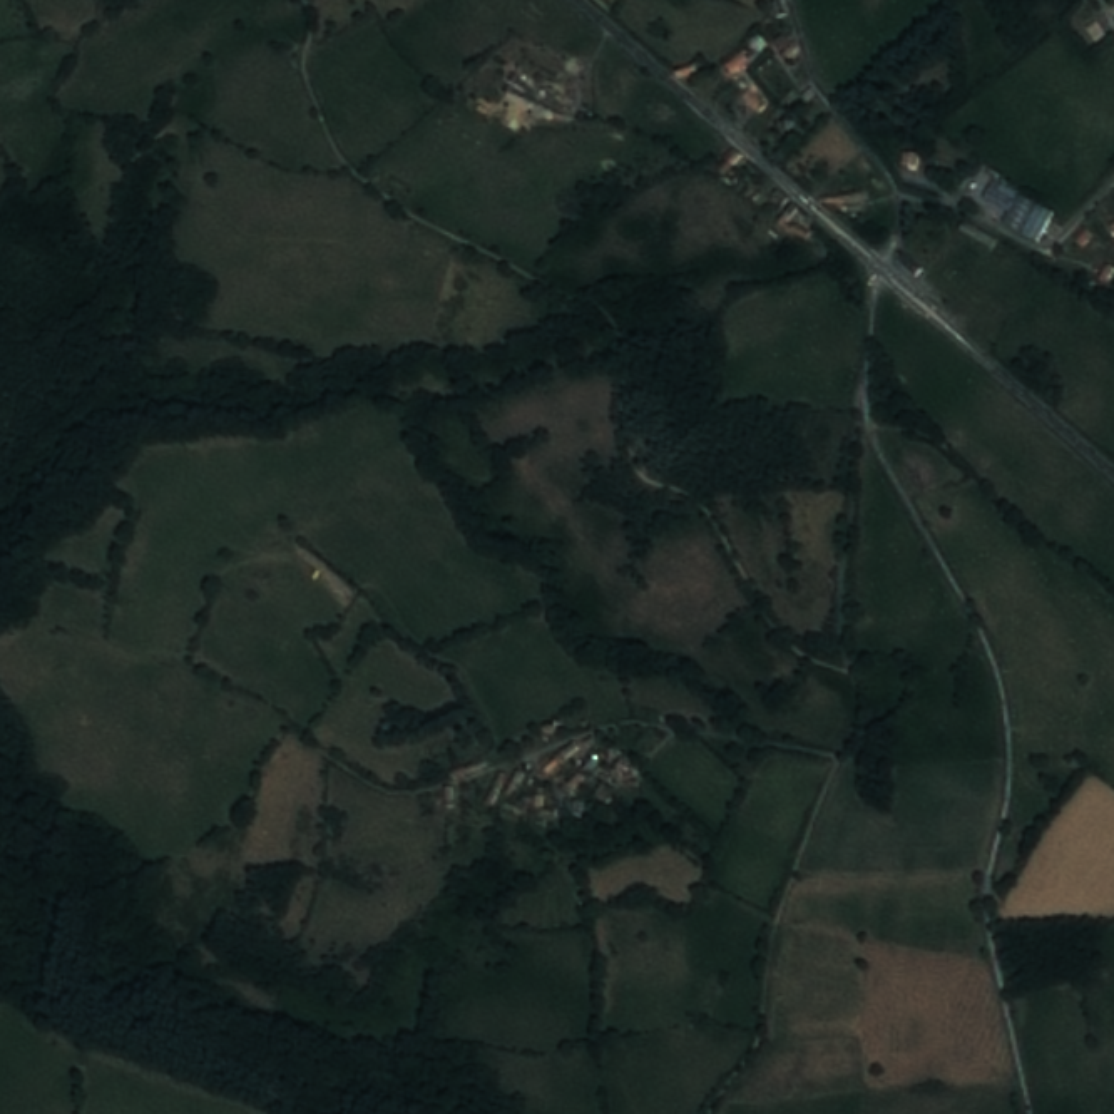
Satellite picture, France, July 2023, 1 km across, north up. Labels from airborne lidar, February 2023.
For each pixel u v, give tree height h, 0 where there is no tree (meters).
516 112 0
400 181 0
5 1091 0
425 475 12
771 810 0
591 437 0
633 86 0
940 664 0
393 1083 13
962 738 0
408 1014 0
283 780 0
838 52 0
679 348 17
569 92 0
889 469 0
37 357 18
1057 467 0
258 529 0
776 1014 0
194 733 0
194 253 0
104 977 8
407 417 11
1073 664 0
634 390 10
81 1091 12
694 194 0
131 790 0
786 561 13
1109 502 0
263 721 0
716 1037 0
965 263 0
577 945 0
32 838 28
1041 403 0
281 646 0
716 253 0
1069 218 0
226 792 0
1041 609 0
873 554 0
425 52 0
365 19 7
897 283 0
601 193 13
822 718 0
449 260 0
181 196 7
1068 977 8
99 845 16
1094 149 0
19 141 0
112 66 0
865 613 11
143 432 22
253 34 0
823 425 0
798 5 0
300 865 12
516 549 23
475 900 6
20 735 8
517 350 19
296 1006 0
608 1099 8
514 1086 0
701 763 0
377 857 0
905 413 8
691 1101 0
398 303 0
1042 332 0
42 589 18
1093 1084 0
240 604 0
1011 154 0
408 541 0
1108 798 0
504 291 0
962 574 0
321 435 0
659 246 0
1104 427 0
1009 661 0
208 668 10
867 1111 0
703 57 10
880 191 0
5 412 13
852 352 0
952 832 0
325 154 0
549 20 0
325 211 0
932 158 12
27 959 9
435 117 0
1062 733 0
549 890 0
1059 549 12
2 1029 0
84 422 7
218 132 11
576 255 0
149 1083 0
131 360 19
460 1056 8
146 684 0
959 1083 0
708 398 12
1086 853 0
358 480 0
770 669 0
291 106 0
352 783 0
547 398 0
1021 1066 0
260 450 0
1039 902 0
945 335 0
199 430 20
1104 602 0
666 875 0
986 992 0
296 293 0
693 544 0
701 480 11
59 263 6
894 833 0
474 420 20
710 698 17
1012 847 0
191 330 14
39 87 0
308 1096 14
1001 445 0
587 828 12
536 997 0
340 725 0
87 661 0
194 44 0
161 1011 34
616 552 0
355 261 0
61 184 17
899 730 8
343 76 0
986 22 0
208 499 0
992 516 0
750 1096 0
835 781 0
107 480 18
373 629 14
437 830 0
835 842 0
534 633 0
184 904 0
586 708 7
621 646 11
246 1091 21
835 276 8
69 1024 31
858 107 16
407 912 0
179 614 0
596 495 8
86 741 0
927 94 10
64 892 8
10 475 16
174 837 0
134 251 15
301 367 7
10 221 9
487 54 8
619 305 7
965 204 10
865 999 0
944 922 0
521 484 0
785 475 13
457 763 8
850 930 0
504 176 0
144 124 7
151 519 0
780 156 11
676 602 0
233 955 16
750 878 0
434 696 0
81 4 0
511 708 0
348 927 0
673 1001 0
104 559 0
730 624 8
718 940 0
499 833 8
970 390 0
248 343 12
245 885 0
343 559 0
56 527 20
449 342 0
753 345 0
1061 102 0
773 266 0
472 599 0
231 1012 22
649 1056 0
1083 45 11
